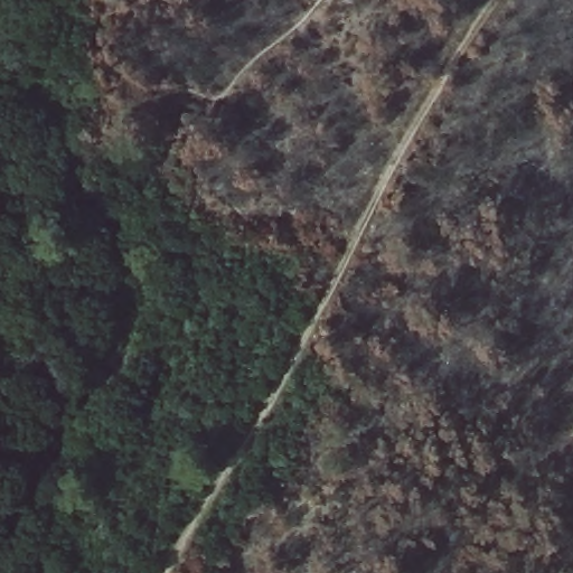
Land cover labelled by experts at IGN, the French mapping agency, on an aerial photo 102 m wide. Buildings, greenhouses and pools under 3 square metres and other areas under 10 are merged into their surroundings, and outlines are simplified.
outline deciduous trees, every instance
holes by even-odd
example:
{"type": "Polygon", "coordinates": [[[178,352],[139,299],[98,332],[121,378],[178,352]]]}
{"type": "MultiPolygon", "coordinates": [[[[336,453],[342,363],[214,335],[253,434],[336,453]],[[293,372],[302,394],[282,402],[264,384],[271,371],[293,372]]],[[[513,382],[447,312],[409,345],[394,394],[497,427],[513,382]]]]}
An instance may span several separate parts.
{"type": "Polygon", "coordinates": [[[161,137],[157,145],[139,148],[134,137],[125,141],[121,137],[103,134],[101,121],[105,116],[105,107],[101,98],[94,98],[92,85],[96,83],[96,69],[94,63],[87,60],[90,51],[98,54],[96,34],[101,31],[101,13],[105,11],[105,2],[101,0],[0,0],[0,573],[163,573],[177,560],[177,551],[186,551],[188,544],[197,551],[201,573],[222,573],[228,564],[231,548],[239,537],[239,528],[246,524],[246,519],[251,519],[248,513],[260,506],[273,508],[278,499],[284,499],[284,490],[295,481],[298,472],[302,470],[302,466],[295,463],[295,432],[316,434],[322,419],[322,414],[338,412],[338,407],[345,401],[351,398],[347,389],[334,385],[334,378],[325,374],[322,356],[309,354],[311,338],[329,336],[327,318],[331,316],[331,302],[338,289],[347,282],[349,273],[354,271],[351,264],[356,253],[356,248],[347,242],[345,255],[340,257],[331,244],[325,242],[318,219],[298,210],[293,215],[293,228],[298,242],[293,246],[278,244],[275,235],[280,215],[219,215],[206,208],[201,197],[197,195],[197,175],[188,175],[190,166],[170,152],[175,134],[161,137]]]}

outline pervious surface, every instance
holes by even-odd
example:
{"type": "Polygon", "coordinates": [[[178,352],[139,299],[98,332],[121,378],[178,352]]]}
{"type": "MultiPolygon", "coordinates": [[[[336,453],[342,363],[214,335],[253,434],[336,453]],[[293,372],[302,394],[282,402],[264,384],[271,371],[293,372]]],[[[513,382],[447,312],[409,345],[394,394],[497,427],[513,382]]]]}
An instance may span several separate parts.
{"type": "Polygon", "coordinates": [[[492,13],[488,4],[483,4],[470,20],[461,43],[457,45],[457,51],[461,56],[468,56],[470,60],[475,60],[479,54],[483,40],[481,27],[486,18],[492,13]]]}
{"type": "Polygon", "coordinates": [[[434,103],[450,85],[450,76],[443,74],[436,78],[421,110],[414,114],[401,143],[389,154],[389,161],[374,188],[374,195],[363,215],[358,217],[358,222],[354,224],[351,237],[347,242],[356,248],[360,237],[365,235],[367,222],[374,217],[374,213],[381,210],[383,195],[387,192],[394,175],[407,172],[407,150],[414,143],[414,137],[421,130],[421,125],[432,114],[434,103]]]}
{"type": "Polygon", "coordinates": [[[260,63],[271,56],[291,54],[291,40],[300,31],[304,31],[309,22],[316,22],[327,22],[327,9],[334,0],[313,0],[313,4],[304,13],[300,13],[289,29],[278,34],[269,45],[264,45],[251,58],[246,58],[242,69],[233,74],[224,90],[210,92],[201,90],[197,81],[188,81],[188,92],[197,98],[222,101],[251,87],[257,90],[262,83],[260,63]]]}

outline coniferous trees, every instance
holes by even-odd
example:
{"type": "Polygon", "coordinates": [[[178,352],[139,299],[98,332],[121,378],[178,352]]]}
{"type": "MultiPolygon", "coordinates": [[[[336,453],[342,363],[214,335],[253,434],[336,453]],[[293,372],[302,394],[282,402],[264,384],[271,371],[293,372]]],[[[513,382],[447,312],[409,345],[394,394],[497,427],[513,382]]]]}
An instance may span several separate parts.
{"type": "Polygon", "coordinates": [[[376,407],[354,403],[351,398],[345,401],[338,407],[338,412],[322,414],[322,419],[329,419],[342,432],[347,443],[345,448],[336,448],[331,454],[331,463],[338,463],[345,472],[345,481],[338,481],[334,495],[338,501],[349,501],[347,526],[356,526],[358,533],[365,533],[363,546],[376,548],[378,560],[392,557],[398,573],[430,573],[443,555],[452,553],[448,530],[454,530],[457,526],[466,526],[477,542],[483,542],[483,562],[472,562],[470,573],[573,573],[573,508],[566,506],[564,472],[551,459],[542,459],[539,454],[562,432],[573,430],[573,363],[560,363],[557,367],[551,367],[551,358],[560,351],[562,342],[551,325],[537,325],[542,311],[548,304],[546,289],[539,284],[539,278],[546,273],[548,260],[553,257],[555,248],[562,242],[566,242],[566,231],[546,233],[546,217],[539,210],[539,204],[528,197],[517,197],[510,181],[499,181],[490,188],[481,188],[475,197],[466,199],[463,204],[454,201],[452,206],[434,210],[430,237],[419,237],[410,231],[403,239],[410,246],[407,273],[389,273],[383,262],[378,262],[378,244],[383,244],[383,235],[374,235],[369,239],[369,253],[356,253],[351,264],[354,271],[349,273],[347,282],[338,289],[331,302],[331,316],[327,318],[329,336],[329,347],[338,354],[342,369],[354,372],[363,387],[376,387],[376,407]]]}
{"type": "Polygon", "coordinates": [[[354,67],[354,94],[360,103],[365,103],[367,119],[372,123],[381,119],[378,110],[385,107],[385,98],[389,94],[387,76],[383,74],[383,45],[369,38],[374,22],[396,25],[403,11],[419,11],[421,18],[428,22],[432,36],[441,36],[443,7],[439,0],[334,0],[327,9],[327,22],[316,22],[322,47],[338,47],[338,58],[354,67]]]}

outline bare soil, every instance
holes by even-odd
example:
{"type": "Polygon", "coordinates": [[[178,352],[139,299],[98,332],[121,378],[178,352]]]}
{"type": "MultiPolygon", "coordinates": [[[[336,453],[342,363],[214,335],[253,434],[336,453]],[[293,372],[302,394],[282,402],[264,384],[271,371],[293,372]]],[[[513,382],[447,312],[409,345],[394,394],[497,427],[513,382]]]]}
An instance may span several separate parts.
{"type": "Polygon", "coordinates": [[[564,472],[566,506],[573,508],[573,430],[562,432],[539,454],[542,459],[551,459],[564,472]]]}
{"type": "Polygon", "coordinates": [[[477,542],[466,526],[457,526],[454,530],[448,530],[452,553],[443,555],[430,573],[470,573],[472,562],[483,562],[483,542],[477,542]]]}
{"type": "Polygon", "coordinates": [[[201,573],[197,551],[188,544],[186,551],[177,551],[177,560],[163,573],[201,573]]]}
{"type": "Polygon", "coordinates": [[[338,354],[329,347],[329,336],[311,338],[309,354],[322,356],[325,374],[334,378],[334,385],[347,389],[351,398],[354,403],[376,407],[376,387],[363,387],[354,372],[342,369],[338,354]]]}
{"type": "Polygon", "coordinates": [[[381,119],[372,123],[367,119],[365,103],[360,103],[354,94],[354,67],[338,58],[338,47],[322,47],[316,22],[309,22],[304,31],[300,31],[291,40],[291,54],[271,56],[260,63],[262,83],[257,90],[251,87],[222,101],[197,98],[188,92],[188,81],[197,81],[201,90],[210,92],[224,90],[233,74],[242,69],[246,58],[251,58],[264,45],[269,45],[278,34],[289,29],[300,13],[304,13],[313,4],[313,0],[101,0],[105,2],[105,11],[101,13],[101,31],[96,34],[98,54],[90,51],[87,60],[94,63],[96,69],[96,83],[92,85],[94,98],[101,98],[105,107],[105,116],[101,121],[103,134],[121,137],[125,141],[134,137],[139,148],[157,145],[161,137],[175,134],[170,152],[190,166],[188,175],[197,175],[197,195],[201,197],[206,208],[219,215],[280,215],[275,235],[278,244],[293,246],[298,242],[293,228],[293,215],[298,210],[318,219],[325,242],[331,244],[340,257],[345,255],[347,242],[351,237],[354,224],[358,222],[358,217],[363,215],[374,195],[374,188],[389,161],[389,154],[401,143],[414,114],[421,110],[436,78],[443,74],[450,76],[450,85],[434,103],[432,114],[421,125],[421,130],[414,137],[414,143],[407,150],[407,172],[394,175],[387,192],[383,195],[381,210],[374,213],[374,217],[367,222],[365,235],[360,237],[356,248],[356,253],[369,253],[369,239],[374,235],[383,235],[383,244],[378,244],[378,262],[383,262],[389,273],[407,273],[410,246],[403,239],[410,231],[419,237],[430,237],[434,210],[452,206],[454,201],[463,204],[466,199],[475,197],[481,188],[490,188],[499,181],[510,181],[517,197],[528,197],[539,204],[539,210],[546,217],[546,233],[566,231],[566,242],[562,242],[555,248],[553,257],[548,260],[546,273],[539,278],[539,284],[546,289],[548,304],[542,311],[537,325],[551,325],[562,342],[560,351],[551,358],[551,367],[557,367],[560,363],[573,363],[573,0],[439,0],[443,7],[441,36],[432,36],[428,22],[421,18],[419,11],[403,11],[396,25],[374,22],[369,38],[383,45],[383,74],[387,76],[389,94],[385,98],[385,107],[378,110],[381,119]],[[481,27],[483,40],[479,54],[475,60],[470,60],[468,56],[461,56],[457,51],[457,45],[461,43],[470,20],[483,4],[488,4],[492,13],[486,18],[481,27]]]}
{"type": "Polygon", "coordinates": [[[278,499],[273,508],[260,506],[248,513],[251,519],[246,519],[246,524],[239,528],[239,537],[231,548],[228,564],[222,573],[398,573],[392,557],[378,560],[376,548],[363,546],[365,533],[358,533],[356,526],[347,526],[349,501],[338,501],[334,495],[338,481],[345,481],[345,472],[338,463],[331,463],[331,454],[336,448],[345,448],[347,443],[342,432],[329,419],[322,419],[316,434],[295,432],[295,463],[302,466],[302,470],[298,472],[295,481],[284,490],[284,499],[278,499]]]}

